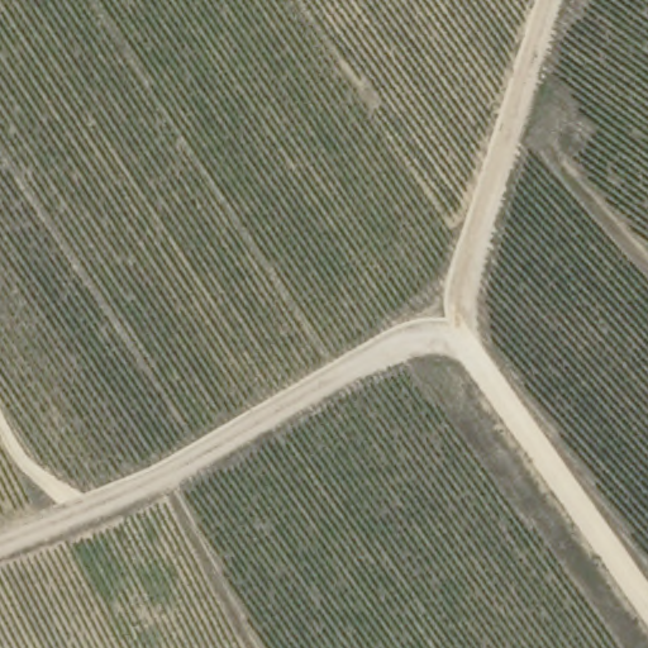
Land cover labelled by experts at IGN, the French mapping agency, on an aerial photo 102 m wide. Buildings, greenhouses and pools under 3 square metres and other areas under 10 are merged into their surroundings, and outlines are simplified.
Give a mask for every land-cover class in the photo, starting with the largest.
<instances>
[{"label":"vineyard","instance_id":"1","mask_svg":"<svg viewBox=\"0 0 648 648\"><path fill-rule=\"evenodd\" d=\"M532 8V0H0V408L10 428L15 430L18 440L38 466L48 468L56 478L66 481L78 491H89L162 461L172 451L233 420L243 410L263 402L286 385L314 372L316 367L372 339L395 321L413 319L418 314L443 316V276L448 271L451 251L466 220L461 197L473 182L476 154L491 134L504 94L506 71L511 68V61L519 51L521 25L527 20V10ZM478 337L489 357L496 362V367L511 385V390L521 397L534 423L542 428L544 438L554 446L570 473L577 478L582 491L590 496L605 524L613 529V534L625 547V552L648 582V0H562L559 13L554 18V38L539 68V84L519 139V157L509 172L504 203L494 223L491 251L486 256L478 291ZM532 458L521 451L519 440L506 430V423L494 410L483 408V392L468 375V370L458 359L446 354H420L400 365H392L382 372H372L327 395L316 405L291 415L281 425L261 433L240 448L225 453L205 471L195 473L192 478H185L175 489L154 491L116 511L76 524L61 534L38 539L28 547H20L0 557V648H648V628L635 615L630 602L615 592L602 559L582 547L580 532L575 521L564 514V506L559 504L557 494L539 489L537 476L532 473ZM53 499L15 466V461L0 440V532L18 519L35 516L41 509H51Z\"/></svg>","mask_w":648,"mask_h":648},{"label":"pervious surface","instance_id":"2","mask_svg":"<svg viewBox=\"0 0 648 648\"><path fill-rule=\"evenodd\" d=\"M562 0H532V8L527 10V20L521 25L519 51L511 61V68L506 71L504 94L491 134L476 154L473 182L461 197L466 220L451 251L448 271L443 276V316L418 314L413 319L395 321L372 339L316 367L314 372L286 385L263 402L243 410L233 420L172 451L162 461L89 491H78L66 481L56 478L48 468L38 466L18 440L15 430L10 428L0 408V440L15 461V466L53 499L51 509H41L35 516L18 519L0 532V557L20 547H28L38 539L61 534L76 524L116 511L154 491L175 489L185 478H192L195 473L205 471L225 453L240 448L261 433L281 425L291 415L316 405L327 395L372 372H382L392 365H400L420 354H446L458 359L468 370V375L483 392V408L494 410L506 423V430L519 440L521 451L532 458V473L537 476L539 489L557 494L559 504L564 506V514L575 521L580 532L582 547L602 559L615 592L630 602L635 615L648 628V582L625 552V547L613 534V529L605 524L590 496L582 491L577 478L570 473L554 446L544 438L542 428L534 423L521 397L511 390V385L496 367V362L489 357L478 337V291L486 256L491 251L494 223L504 203L509 172L519 157V139L539 84V68L554 38V18L559 13Z\"/></svg>","mask_w":648,"mask_h":648}]
</instances>
